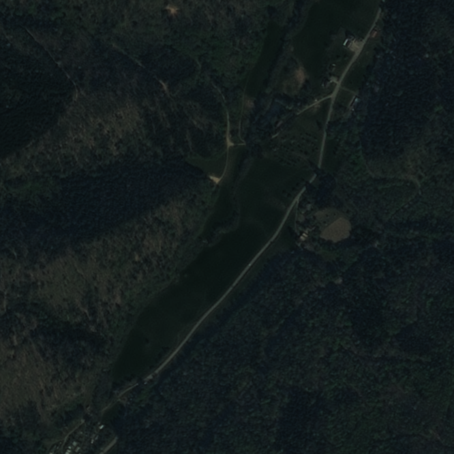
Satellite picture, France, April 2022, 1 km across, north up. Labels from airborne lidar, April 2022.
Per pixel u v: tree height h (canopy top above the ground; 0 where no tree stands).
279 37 0
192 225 29
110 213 25
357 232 13
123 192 37
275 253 0
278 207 0
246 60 20
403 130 30
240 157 0
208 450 21
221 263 0
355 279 28
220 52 22
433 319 16
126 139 28
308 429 27
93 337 12
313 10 0
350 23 0
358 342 22
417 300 25
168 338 0
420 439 18
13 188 18
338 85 0
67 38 12
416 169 26
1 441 16
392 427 18
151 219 19
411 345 23
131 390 0
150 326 0
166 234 22
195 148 15
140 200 21
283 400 28
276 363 25
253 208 0
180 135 17
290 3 17
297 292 25
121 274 22
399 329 16
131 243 25
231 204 0
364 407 19
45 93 7
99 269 20
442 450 26
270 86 23
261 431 29
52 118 16
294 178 0
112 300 20
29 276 24
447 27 24
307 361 28
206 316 0
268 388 29
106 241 23
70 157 25
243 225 0
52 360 26
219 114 16
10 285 25
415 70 28
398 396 20
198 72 15
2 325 27
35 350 27
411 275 22
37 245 20
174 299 0
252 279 0
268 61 0
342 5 0
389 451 18
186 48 21
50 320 10
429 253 28
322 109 0
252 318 27
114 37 21
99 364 23
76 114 20
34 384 19
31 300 23
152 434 32
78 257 21
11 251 13
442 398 19
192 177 26
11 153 14
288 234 0
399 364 23
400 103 33
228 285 0
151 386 11
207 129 19
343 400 23
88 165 27
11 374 14
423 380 18
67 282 14
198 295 0
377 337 17
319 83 0
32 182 25
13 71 11
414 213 16
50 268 20
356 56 0
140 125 22
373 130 31
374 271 33
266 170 0
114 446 0
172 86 20
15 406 23
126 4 26
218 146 17
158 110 18
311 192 21
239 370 32
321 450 27
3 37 14
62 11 20
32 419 24
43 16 23
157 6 22
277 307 32
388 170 14
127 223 23
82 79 21
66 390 17
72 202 30
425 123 30
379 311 17
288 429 29
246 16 23
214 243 19
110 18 27
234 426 27
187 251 24
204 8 25
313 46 0
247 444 26
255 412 31
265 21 15
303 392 28
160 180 33
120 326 21
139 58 18
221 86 27
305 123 0
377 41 0
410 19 28
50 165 26
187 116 21
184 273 0
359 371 27
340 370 22
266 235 0
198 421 25
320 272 27
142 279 18
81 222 32
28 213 10
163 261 18
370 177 18
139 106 15
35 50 15
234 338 28
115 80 21
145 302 25
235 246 0
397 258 28
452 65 26
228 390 29
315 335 28
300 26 23
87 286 18
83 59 13
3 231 25
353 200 22
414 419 21
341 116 13
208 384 22
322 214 0
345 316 27
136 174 32
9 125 16
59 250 22
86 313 21
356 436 19
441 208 16
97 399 15
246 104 0
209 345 26
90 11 29
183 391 30
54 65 16
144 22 31
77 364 29
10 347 22
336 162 0
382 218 23
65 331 11
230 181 0
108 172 31
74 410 8
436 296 17
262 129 27
